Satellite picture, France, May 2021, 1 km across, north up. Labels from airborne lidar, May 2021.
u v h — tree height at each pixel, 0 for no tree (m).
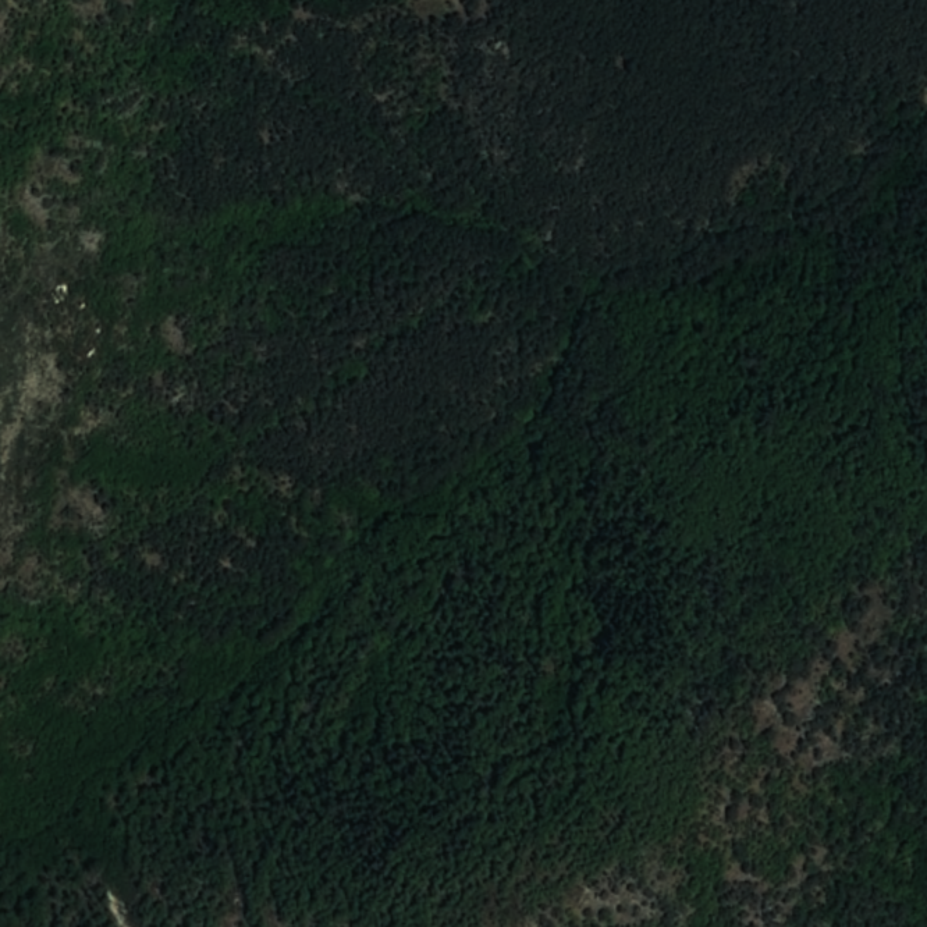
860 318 19
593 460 13
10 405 0
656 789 8
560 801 10
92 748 17
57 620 16
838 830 20
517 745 23
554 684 9
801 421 18
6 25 7
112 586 20
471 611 18
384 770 21
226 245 19
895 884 10
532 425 29
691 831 9
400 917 12
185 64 11
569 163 14
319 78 23
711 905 17
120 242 8
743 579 10
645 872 7
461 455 30
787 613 12
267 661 19
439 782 33
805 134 25
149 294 6
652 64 28
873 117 24
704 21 26
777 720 0
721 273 20
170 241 8
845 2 18
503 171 19
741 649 6
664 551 24
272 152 23
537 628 9
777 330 15
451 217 17
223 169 10
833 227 30
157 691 20
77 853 10
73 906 17
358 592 23
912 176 25
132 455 7
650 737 12
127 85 8
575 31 33
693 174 26
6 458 0
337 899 19
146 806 18
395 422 26
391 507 17
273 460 20
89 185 8
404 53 10
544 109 11
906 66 20
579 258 21
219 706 24
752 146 24
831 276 12
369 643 17
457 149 24
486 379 23
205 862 17
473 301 12
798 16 22
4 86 10
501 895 7
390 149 24
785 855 9
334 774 22
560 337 21
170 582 13
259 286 16
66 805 19
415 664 21
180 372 6
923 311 17
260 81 19
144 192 20
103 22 12
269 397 17
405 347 23
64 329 7
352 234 19
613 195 15
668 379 18
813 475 20
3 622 20
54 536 8
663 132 25
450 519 12
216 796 17
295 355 22
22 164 11
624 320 22
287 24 16
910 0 21
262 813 18
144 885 15
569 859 13
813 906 10
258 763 20
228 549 23
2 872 18
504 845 15
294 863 18
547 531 7
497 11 18
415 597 22
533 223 26
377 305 15
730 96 24
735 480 19
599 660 26
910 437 13
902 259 19
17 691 9
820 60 23
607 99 26
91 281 7
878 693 17
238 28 13
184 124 10
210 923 12
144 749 19
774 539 19
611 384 15
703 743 6
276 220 19
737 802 10
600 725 24
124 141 8
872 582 16
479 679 15
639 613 13
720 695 16
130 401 9
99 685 9
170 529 13
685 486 16
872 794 9
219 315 12
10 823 12
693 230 24
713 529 11
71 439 5
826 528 19
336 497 18
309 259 25
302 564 15
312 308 23
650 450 22
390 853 21
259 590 28
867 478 25
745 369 10
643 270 29
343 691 11
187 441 18
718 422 19
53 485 8
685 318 25
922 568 17
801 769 8
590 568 29
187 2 21
